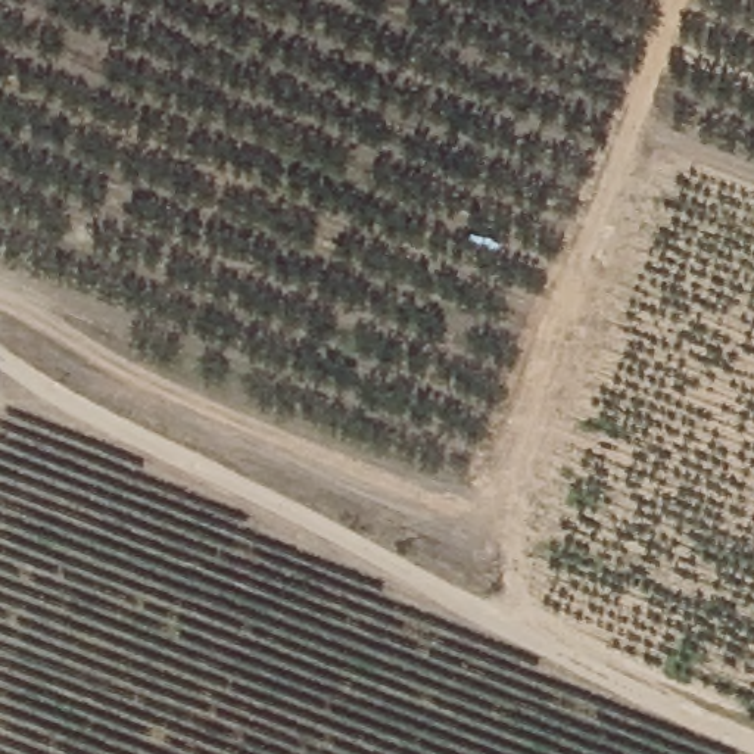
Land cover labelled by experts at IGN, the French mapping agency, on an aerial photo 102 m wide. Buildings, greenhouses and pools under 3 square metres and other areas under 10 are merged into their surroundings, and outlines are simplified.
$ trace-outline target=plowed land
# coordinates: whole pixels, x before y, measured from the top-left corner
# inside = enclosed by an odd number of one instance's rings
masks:
[[[0,371],[0,415],[6,406],[18,406],[44,415],[56,424],[65,424],[68,418],[59,409],[41,404],[38,395],[32,395],[18,380]]]
[[[53,280],[32,277],[29,271],[9,271],[6,265],[0,265],[0,309],[24,321],[35,303],[47,297],[44,289]]]
[[[91,221],[112,218],[118,227],[124,227],[124,203],[133,197],[133,191],[124,180],[109,183],[106,200],[100,206],[91,206],[88,212],[80,197],[71,197],[65,203],[71,218],[71,230],[65,233],[68,250],[88,253]]]
[[[62,53],[53,68],[82,77],[88,85],[100,88],[106,80],[106,38],[100,32],[82,32],[74,27],[65,35]]]
[[[642,127],[639,153],[651,156],[654,162],[663,153],[680,153],[689,156],[689,168],[733,183],[745,191],[754,191],[754,159],[704,144],[698,127],[683,127],[677,133],[669,121],[651,112],[651,118]]]
[[[713,9],[710,0],[689,0],[686,9],[698,12],[704,18],[704,27],[727,27],[733,32],[745,32],[748,38],[754,38],[754,21],[745,21],[745,15],[722,15]]]
[[[336,236],[348,230],[348,215],[324,212],[315,230],[315,247],[321,259],[327,259],[336,247]]]

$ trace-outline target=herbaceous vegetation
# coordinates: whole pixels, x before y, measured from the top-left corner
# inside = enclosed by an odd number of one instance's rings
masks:
[[[401,539],[412,539],[412,551],[406,554],[406,560],[412,566],[471,595],[495,598],[489,592],[489,583],[504,583],[504,554],[492,554],[489,560],[465,560],[459,557],[459,548],[454,542],[442,542],[424,533],[421,521],[404,512],[395,512],[383,504],[359,501],[345,492],[333,492],[297,465],[280,465],[244,448],[227,448],[218,442],[212,430],[203,430],[194,421],[197,412],[165,404],[156,395],[130,386],[127,380],[88,362],[77,350],[65,348],[62,342],[44,336],[41,330],[24,321],[0,309],[0,345],[35,371],[71,389],[74,395],[236,471],[239,477],[274,489],[277,495],[309,507],[324,518],[345,524],[348,530],[377,542],[380,548],[395,551]]]

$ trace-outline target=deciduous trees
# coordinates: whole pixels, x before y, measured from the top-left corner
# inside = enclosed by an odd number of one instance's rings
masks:
[[[754,21],[754,0],[710,0],[713,9],[722,15],[745,15],[745,21]]]
[[[751,722],[748,727],[754,727],[754,191],[745,191],[733,183],[689,168],[686,174],[677,174],[674,197],[654,197],[654,206],[672,209],[672,221],[669,227],[657,230],[648,247],[645,268],[636,274],[636,286],[630,289],[627,312],[616,321],[601,321],[601,330],[607,333],[627,333],[627,348],[613,368],[610,386],[601,386],[601,395],[592,398],[592,406],[598,406],[601,415],[583,421],[583,430],[607,433],[595,451],[583,451],[580,457],[583,468],[592,477],[577,477],[571,468],[560,471],[571,486],[568,504],[577,507],[577,515],[571,521],[560,521],[566,539],[548,542],[548,566],[554,571],[548,577],[542,607],[574,621],[604,627],[613,651],[621,651],[633,660],[645,660],[648,666],[666,672],[674,680],[704,683],[722,695],[742,701]]]
[[[680,15],[680,35],[674,38],[674,47],[669,53],[669,71],[660,77],[660,85],[654,91],[651,112],[669,121],[677,133],[683,127],[698,127],[704,144],[754,159],[754,38],[748,38],[745,32],[733,32],[727,27],[704,27],[704,18],[698,12],[686,9]]]
[[[106,303],[124,303],[133,312],[133,345],[138,362],[156,368],[174,383],[197,389],[212,401],[221,401],[224,406],[259,412],[265,421],[280,424],[295,436],[339,448],[353,457],[374,454],[389,462],[406,462],[412,474],[433,474],[439,468],[468,468],[477,442],[489,433],[489,418],[495,406],[507,398],[504,377],[518,362],[518,336],[527,330],[530,318],[527,312],[518,312],[507,303],[507,292],[512,286],[521,286],[527,292],[542,295],[545,271],[563,250],[566,221],[574,218],[580,209],[580,186],[592,174],[595,153],[607,147],[610,121],[616,109],[624,103],[630,77],[639,71],[645,59],[648,32],[660,24],[660,0],[0,0],[0,265],[6,265],[9,271],[29,271],[32,277],[53,280],[62,280],[68,289],[77,289],[82,295],[97,295]],[[100,32],[106,38],[106,80],[100,88],[88,85],[82,77],[53,68],[62,53],[65,35],[74,27],[82,32]],[[80,197],[88,212],[91,206],[100,206],[106,200],[109,183],[124,180],[133,191],[133,197],[124,203],[124,227],[118,227],[112,218],[91,221],[88,253],[68,250],[65,233],[71,230],[71,218],[65,203],[71,197]],[[336,236],[336,247],[327,259],[321,259],[315,247],[315,230],[324,212],[348,215],[348,230]]]

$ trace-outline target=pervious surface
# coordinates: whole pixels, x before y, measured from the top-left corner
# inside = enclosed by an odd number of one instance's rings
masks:
[[[477,442],[468,468],[439,468],[433,474],[412,474],[406,462],[389,462],[374,454],[353,457],[339,448],[295,436],[280,424],[265,421],[259,412],[224,406],[221,401],[212,401],[197,389],[174,383],[156,368],[138,362],[133,345],[133,312],[124,303],[106,303],[97,295],[82,295],[77,289],[68,289],[62,280],[53,280],[44,289],[47,297],[35,303],[24,321],[41,330],[44,336],[62,342],[65,348],[77,350],[88,362],[127,380],[130,386],[156,395],[165,404],[197,412],[194,421],[203,430],[212,430],[218,442],[227,448],[244,448],[280,465],[297,465],[333,492],[345,492],[359,501],[383,504],[395,512],[404,512],[421,521],[424,533],[442,542],[454,542],[459,548],[459,557],[465,560],[489,560],[492,554],[504,554],[504,583],[489,583],[489,592],[495,598],[471,595],[412,566],[406,560],[406,554],[412,551],[412,539],[401,539],[395,551],[380,548],[377,542],[348,530],[345,524],[324,518],[309,507],[277,495],[274,489],[239,477],[236,471],[74,395],[71,389],[35,371],[0,345],[0,371],[18,380],[32,395],[38,395],[41,404],[59,409],[68,418],[65,424],[141,454],[144,471],[153,477],[162,477],[197,495],[244,510],[250,527],[265,536],[297,545],[300,551],[327,557],[333,563],[359,568],[365,574],[383,577],[383,595],[395,601],[445,616],[451,621],[468,624],[495,639],[539,654],[542,674],[554,674],[560,680],[586,686],[607,698],[669,719],[701,736],[733,745],[739,748],[739,754],[754,754],[754,727],[748,727],[751,722],[742,701],[722,695],[704,683],[674,680],[666,672],[648,666],[645,660],[633,660],[621,651],[613,651],[604,627],[574,621],[542,607],[548,577],[554,571],[548,566],[548,542],[566,539],[560,521],[571,521],[577,515],[577,507],[568,504],[571,486],[560,471],[571,468],[577,477],[592,477],[583,468],[580,457],[583,451],[595,451],[607,433],[583,430],[583,421],[601,415],[598,406],[592,406],[592,398],[601,395],[601,386],[610,386],[613,368],[627,348],[627,333],[607,333],[601,330],[601,321],[616,321],[627,312],[630,289],[636,286],[636,274],[645,268],[648,247],[657,230],[669,227],[672,221],[672,209],[654,206],[654,197],[674,197],[677,174],[686,174],[689,168],[689,156],[680,153],[663,153],[654,162],[651,156],[639,153],[642,127],[651,118],[651,112],[654,91],[660,85],[660,77],[669,71],[669,53],[674,47],[674,38],[680,35],[680,15],[686,9],[689,0],[660,0],[660,24],[648,32],[645,59],[639,71],[630,77],[624,103],[616,109],[610,121],[607,147],[595,153],[592,174],[580,186],[580,209],[574,218],[566,221],[563,250],[545,271],[542,295],[527,292],[521,286],[512,286],[507,292],[507,303],[518,312],[527,312],[530,318],[527,330],[518,336],[518,362],[504,377],[507,398],[495,406],[489,418],[489,433]]]

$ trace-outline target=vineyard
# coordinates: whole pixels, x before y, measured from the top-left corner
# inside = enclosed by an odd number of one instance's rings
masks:
[[[542,674],[539,654],[495,639],[468,624],[451,621],[445,616],[395,601],[383,595],[383,577],[365,574],[359,568],[333,563],[327,557],[300,551],[297,545],[265,536],[250,527],[244,510],[197,495],[162,477],[153,477],[144,471],[141,454],[65,424],[56,424],[44,415],[18,406],[6,406],[0,415],[0,754],[739,754],[739,748],[733,745],[701,736],[669,719],[607,698],[586,686],[560,680],[554,674]]]

